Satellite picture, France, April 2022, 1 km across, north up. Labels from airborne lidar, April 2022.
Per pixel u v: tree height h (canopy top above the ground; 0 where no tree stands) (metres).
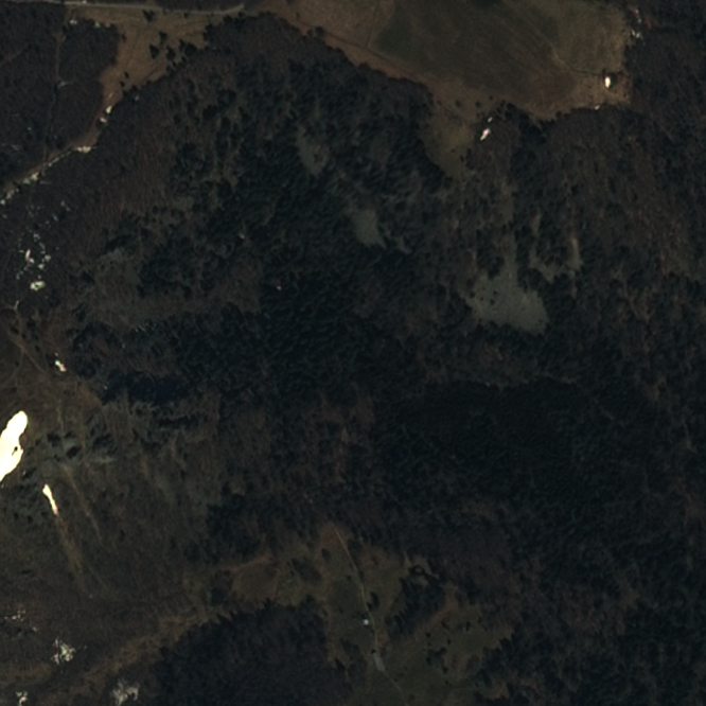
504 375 26
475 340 25
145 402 16
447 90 0
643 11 11
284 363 11
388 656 8
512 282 0
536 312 0
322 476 22
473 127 0
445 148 0
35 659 11
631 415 23
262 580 0
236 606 8
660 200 27
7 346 0
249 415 29
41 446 15
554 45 0
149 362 16
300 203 41
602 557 26
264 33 13
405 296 22
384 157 19
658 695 15
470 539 20
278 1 0
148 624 10
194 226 18
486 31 0
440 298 29
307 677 15
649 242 23
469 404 19
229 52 17
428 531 20
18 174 13
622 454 14
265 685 21
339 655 0
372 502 18
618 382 22
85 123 14
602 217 20
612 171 22
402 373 13
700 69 23
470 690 0
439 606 24
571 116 9
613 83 7
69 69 11
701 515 16
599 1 0
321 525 15
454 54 0
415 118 7
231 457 23
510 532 29
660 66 20
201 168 20
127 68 0
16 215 11
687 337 28
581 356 20
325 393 16
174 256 30
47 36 10
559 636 22
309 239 28
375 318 8
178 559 22
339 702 20
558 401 15
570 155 18
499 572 13
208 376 30
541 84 0
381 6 0
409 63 0
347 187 31
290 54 15
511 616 25
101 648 9
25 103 12
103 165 12
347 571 0
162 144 14
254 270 34
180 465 18
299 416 13
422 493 36
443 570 14
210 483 21
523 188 16
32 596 11
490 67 0
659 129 22
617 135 24
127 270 17
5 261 7
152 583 21
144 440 11
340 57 10
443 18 0
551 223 23
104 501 20
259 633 18
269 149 24
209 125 24
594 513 18
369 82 15
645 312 21
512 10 0
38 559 6
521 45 0
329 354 23
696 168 26
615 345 16
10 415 0
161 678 21
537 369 20
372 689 0
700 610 20
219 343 26
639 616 19
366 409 20
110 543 13
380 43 0
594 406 23
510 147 17
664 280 17
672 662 27
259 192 24
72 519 8
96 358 6
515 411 12
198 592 0
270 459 26
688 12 23
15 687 12
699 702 15
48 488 0
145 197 16
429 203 19
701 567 21
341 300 12
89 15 0
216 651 18
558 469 18
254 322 24
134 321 10
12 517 8
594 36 0
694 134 29
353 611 0
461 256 22
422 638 0
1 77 10
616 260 19
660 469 19
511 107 10
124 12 0
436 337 25
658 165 26
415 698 9
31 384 0
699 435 27
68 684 0
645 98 13
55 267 6
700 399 20
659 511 17
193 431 6
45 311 6
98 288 16
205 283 18
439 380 15
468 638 0
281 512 20
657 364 24
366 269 29
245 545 17
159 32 0
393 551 21
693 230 28
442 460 17
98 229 10
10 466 0
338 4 0
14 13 11
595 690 26
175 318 18
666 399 14
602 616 21
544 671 26
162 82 10
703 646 20
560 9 0
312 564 11
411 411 20
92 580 19
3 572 7
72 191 12
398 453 14
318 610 14
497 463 14
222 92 22
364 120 18
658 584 25
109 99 0
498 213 17
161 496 19
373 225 0
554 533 23
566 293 20
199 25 0
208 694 18
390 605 0
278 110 20
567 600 24
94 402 0
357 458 12
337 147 11
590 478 8
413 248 18
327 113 17
